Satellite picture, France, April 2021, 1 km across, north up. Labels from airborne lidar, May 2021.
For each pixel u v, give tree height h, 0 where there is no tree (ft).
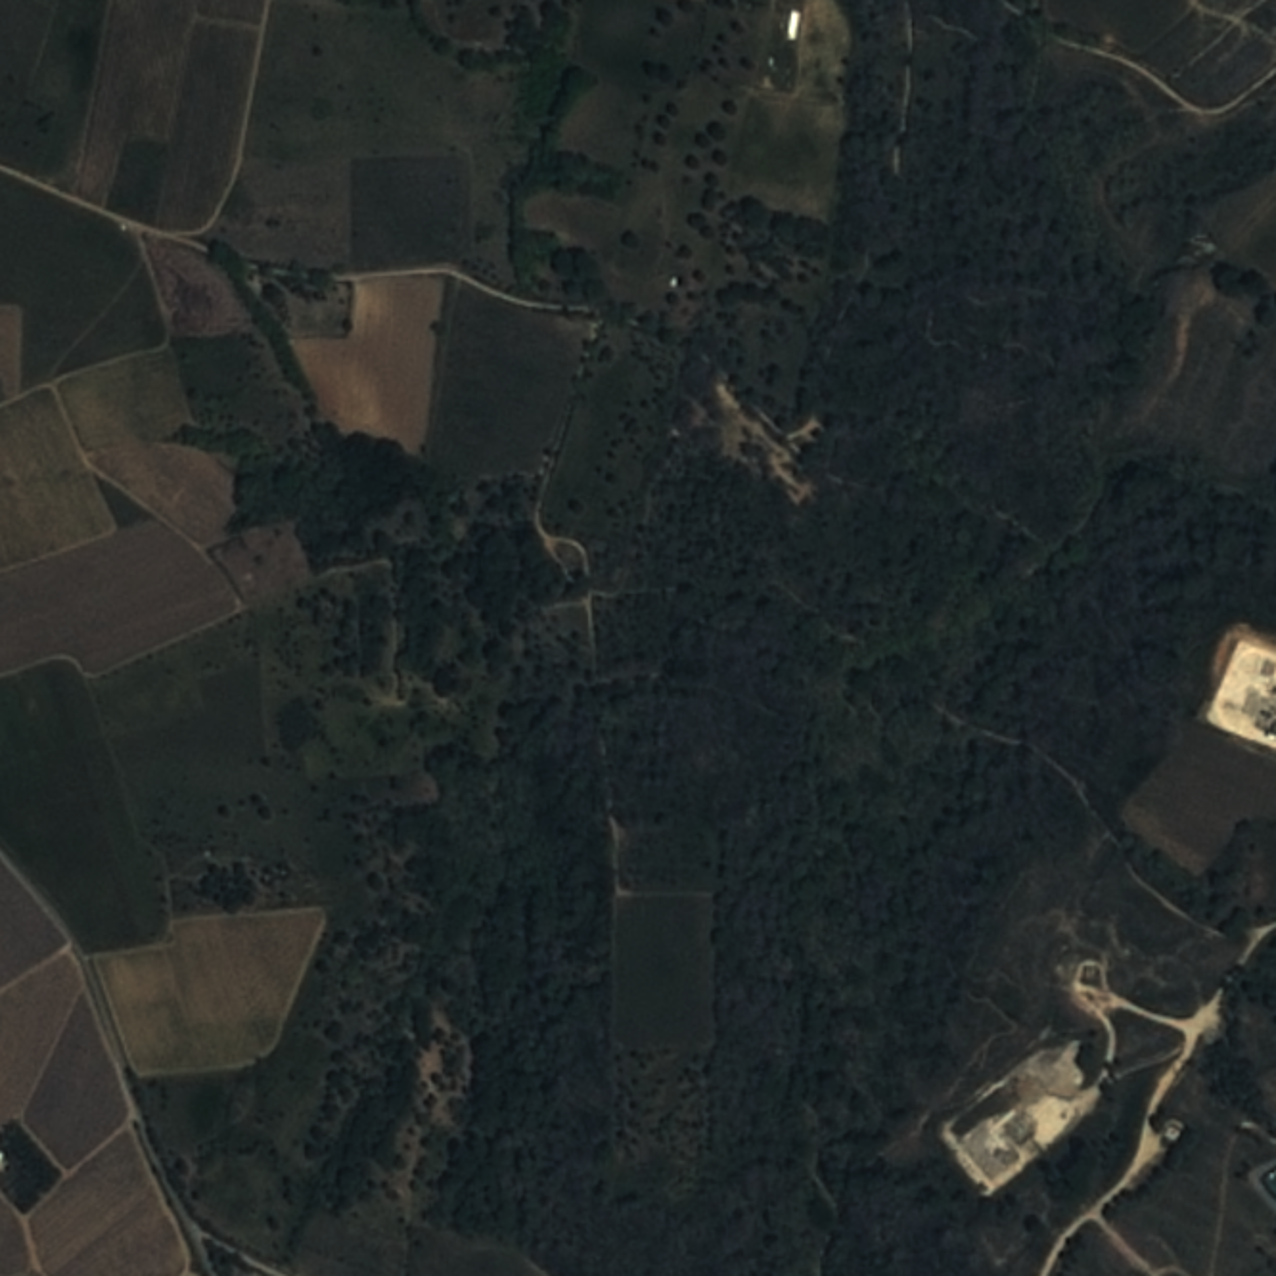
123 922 0
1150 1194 27
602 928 26
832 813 39
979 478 52
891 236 35
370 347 0
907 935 35
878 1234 40
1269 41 0
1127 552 43
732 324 18
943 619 51
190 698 0
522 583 35
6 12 0
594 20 0
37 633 0
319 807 0
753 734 42
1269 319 45
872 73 34
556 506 0
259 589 0
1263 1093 24
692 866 0
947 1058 25
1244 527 26
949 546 38
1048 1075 0
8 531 0
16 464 0
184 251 0
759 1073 40
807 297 0
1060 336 47
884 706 26
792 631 48
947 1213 39
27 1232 0
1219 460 0
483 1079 47
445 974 31
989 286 43
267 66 0
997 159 43
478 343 0
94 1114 0
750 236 22
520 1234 32
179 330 0
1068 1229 0
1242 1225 0
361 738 0
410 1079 32
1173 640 28
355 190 0
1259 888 0
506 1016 38
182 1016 0
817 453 32
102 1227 0
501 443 0
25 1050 0
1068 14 0
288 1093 0
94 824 0
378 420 0
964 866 38
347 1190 37
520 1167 35
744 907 31
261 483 38
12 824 0
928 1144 0
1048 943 0
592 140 0
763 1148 46
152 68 0
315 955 0
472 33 0
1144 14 0
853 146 39
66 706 0
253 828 0
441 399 0
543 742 41
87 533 0
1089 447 50
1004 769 41
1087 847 0
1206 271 0
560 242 24
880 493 40
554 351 0
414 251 0
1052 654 34
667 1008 0
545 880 32
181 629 0
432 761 34
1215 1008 0
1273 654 0
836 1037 33
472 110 0
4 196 0
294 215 0
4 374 0
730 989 46
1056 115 45
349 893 0
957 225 39
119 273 0
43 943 0
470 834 52
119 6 0
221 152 0
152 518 0
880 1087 46
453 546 23
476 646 31
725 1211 52
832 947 47
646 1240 38
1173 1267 0
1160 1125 30
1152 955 0
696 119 0
